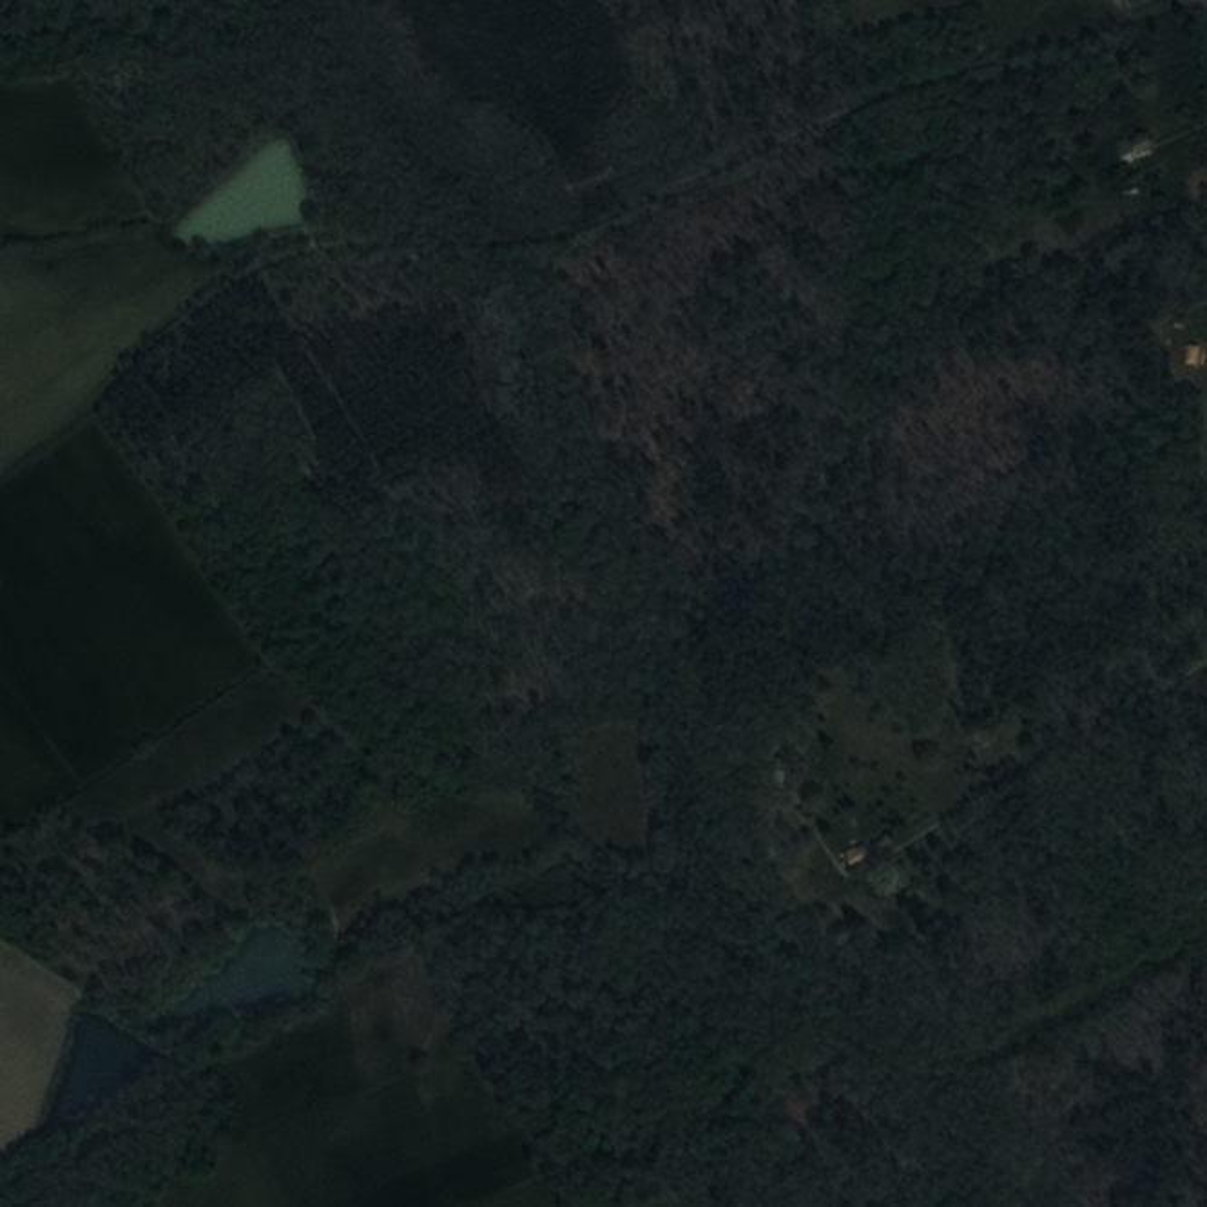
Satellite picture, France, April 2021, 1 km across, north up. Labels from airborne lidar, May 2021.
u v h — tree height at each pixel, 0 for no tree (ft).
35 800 0
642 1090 74
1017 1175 58
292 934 33
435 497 19
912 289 63
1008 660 62
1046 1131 45
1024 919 50
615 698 68
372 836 21
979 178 59
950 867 72
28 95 0
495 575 50
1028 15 0
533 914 20
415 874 0
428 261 61
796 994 68
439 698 73
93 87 41
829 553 79
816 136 29
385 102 56
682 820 31
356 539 89
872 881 43
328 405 68
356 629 44
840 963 66
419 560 45
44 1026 0
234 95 54
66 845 44
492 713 70
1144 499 52
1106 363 53
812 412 47
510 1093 65
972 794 26
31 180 0
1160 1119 36
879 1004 73
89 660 0
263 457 73
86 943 47
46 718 0
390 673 49
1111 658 80
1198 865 52
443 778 70
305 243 44
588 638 58
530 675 64
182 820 57
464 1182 0
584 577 60
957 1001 50
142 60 62
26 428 0
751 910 56
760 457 60
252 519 80
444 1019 37
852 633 80
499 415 49
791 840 40
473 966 71
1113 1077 61
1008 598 66
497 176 43
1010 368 33
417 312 35
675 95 37
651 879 64
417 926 65
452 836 0
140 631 0
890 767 0
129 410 51
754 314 39
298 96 52
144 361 35
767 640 88
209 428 36
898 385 77
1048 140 56
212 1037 68
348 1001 0
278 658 73
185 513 64
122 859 66
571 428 73
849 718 0
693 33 31
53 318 0
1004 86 40
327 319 19
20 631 0
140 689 0
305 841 69
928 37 41
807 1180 64
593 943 68
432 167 59
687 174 36
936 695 68
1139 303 67
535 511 44
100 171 0
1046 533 54
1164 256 59
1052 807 60
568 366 42
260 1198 0
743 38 72
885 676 69
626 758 0
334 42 54
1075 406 37
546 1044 41
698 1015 83
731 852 62
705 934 64
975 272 41
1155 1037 31
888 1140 75
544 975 56
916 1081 64
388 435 64
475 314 45
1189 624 47
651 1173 63
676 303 30
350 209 60
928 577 47
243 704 0
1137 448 66
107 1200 56
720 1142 51
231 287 29
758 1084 76
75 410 0
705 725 83
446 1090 0
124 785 0
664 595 61
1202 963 34
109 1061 0
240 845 68
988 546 56
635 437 46
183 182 56
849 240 54
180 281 0
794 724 80
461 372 58
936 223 70
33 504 0
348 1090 0
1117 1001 27
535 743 71
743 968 47
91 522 0
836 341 59
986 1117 65
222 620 0
